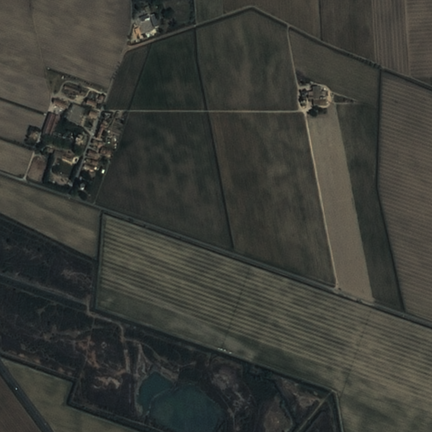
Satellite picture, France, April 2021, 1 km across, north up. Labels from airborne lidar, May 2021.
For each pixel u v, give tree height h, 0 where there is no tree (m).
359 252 0
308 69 0
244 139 0
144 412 0
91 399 0
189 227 0
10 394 0
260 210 0
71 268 0
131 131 0
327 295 0
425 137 0
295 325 0
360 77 0
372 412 0
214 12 0
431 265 0
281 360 0
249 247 0
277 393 10
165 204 0
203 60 0
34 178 0
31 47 0
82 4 0
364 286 0
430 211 0
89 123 0
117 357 0
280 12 0
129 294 0
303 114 0
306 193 0
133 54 0
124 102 0
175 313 0
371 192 0
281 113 0
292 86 0
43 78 0
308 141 0
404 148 0
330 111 0
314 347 0
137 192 0
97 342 0
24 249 0
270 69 0
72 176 11
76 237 0
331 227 0
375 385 0
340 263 0
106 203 0
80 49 0
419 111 0
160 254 0
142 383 0
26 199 0
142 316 0
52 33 0
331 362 0
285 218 0
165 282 0
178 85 0
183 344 0
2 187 0
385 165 0
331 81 0
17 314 0
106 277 0
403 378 0
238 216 0
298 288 0
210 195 0
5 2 0
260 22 0
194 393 0
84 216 0
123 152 0
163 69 0
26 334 0
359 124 0
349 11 0
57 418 0
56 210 0
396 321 0
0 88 0
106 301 0
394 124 0
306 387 0
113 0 0
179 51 0
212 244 0
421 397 0
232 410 0
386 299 0
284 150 0
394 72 0
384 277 0
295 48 0
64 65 0
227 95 0
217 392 0
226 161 0
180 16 0
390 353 0
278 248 0
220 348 0
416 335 0
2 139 0
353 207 0
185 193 0
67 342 0
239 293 0
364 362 0
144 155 0
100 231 0
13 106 0
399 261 0
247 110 0
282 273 0
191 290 0
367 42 0
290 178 0
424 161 0
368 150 0
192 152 0
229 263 0
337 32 0
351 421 0
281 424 0
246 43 0
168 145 0
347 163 0
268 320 0
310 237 0
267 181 0
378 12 0
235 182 0
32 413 0
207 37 0
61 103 0
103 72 0
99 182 0
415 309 0
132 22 0
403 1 0
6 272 7
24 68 0
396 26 0
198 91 0
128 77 0
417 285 0
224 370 0
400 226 0
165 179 0
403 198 0
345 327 0
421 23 0
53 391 0
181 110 0
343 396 0
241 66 0
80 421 0
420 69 0
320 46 0
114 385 0
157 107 0
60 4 0
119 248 0
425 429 0
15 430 0
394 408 0
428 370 0
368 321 0
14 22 0
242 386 0
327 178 0
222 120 0
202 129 0
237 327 0
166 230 0
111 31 0
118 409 0
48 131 0
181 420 0
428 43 0
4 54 0
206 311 0
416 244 0
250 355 0
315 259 0
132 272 0
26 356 0
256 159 0
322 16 0
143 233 0
